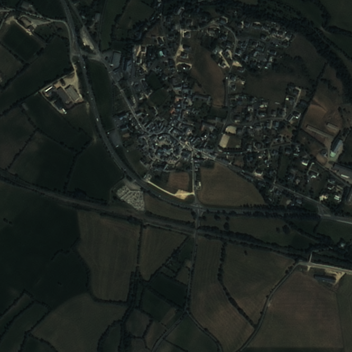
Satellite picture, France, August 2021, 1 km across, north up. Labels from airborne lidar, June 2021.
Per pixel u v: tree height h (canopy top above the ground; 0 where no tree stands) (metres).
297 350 0
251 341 0
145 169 0
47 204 0
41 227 0
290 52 0
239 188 0
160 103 0
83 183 0
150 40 0
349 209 0
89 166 0
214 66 0
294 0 0
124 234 0
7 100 0
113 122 0
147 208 0
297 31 8
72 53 0
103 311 0
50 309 7
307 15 0
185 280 0
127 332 7
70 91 0
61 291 0
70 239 0
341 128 0
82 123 0
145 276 0
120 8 0
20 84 0
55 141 6
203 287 0
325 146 8
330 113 0
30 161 0
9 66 0
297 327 0
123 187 0
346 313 0
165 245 0
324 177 0
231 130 0
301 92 0
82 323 0
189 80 6
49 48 0
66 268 0
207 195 0
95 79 0
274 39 0
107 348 0
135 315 0
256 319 0
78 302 0
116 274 0
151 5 8
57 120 0
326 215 0
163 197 0
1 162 0
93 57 0
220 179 0
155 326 0
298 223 0
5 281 0
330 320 0
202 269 0
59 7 0
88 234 0
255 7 11
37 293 0
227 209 0
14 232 0
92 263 0
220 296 0
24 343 8
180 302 0
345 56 10
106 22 0
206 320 0
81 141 0
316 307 0
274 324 0
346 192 11
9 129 0
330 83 6
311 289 0
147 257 0
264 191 9
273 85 0
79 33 18
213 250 0
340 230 0
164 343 0
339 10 0
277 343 0
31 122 9
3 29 0
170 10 7
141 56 0
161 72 9
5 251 0
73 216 0
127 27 0
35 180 0
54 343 0
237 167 7
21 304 0
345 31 13
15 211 0
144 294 9
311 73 0
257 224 0
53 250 0
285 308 0
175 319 0
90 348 0
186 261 0
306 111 8
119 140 0
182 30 0
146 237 0
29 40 0
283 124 11
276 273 0
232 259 0
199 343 0
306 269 0
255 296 0
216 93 0
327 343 0
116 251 0
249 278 0
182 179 0
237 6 11
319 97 0
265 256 0
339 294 0
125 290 0
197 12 7
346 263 13
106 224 0
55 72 0
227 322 0
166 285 0
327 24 7
